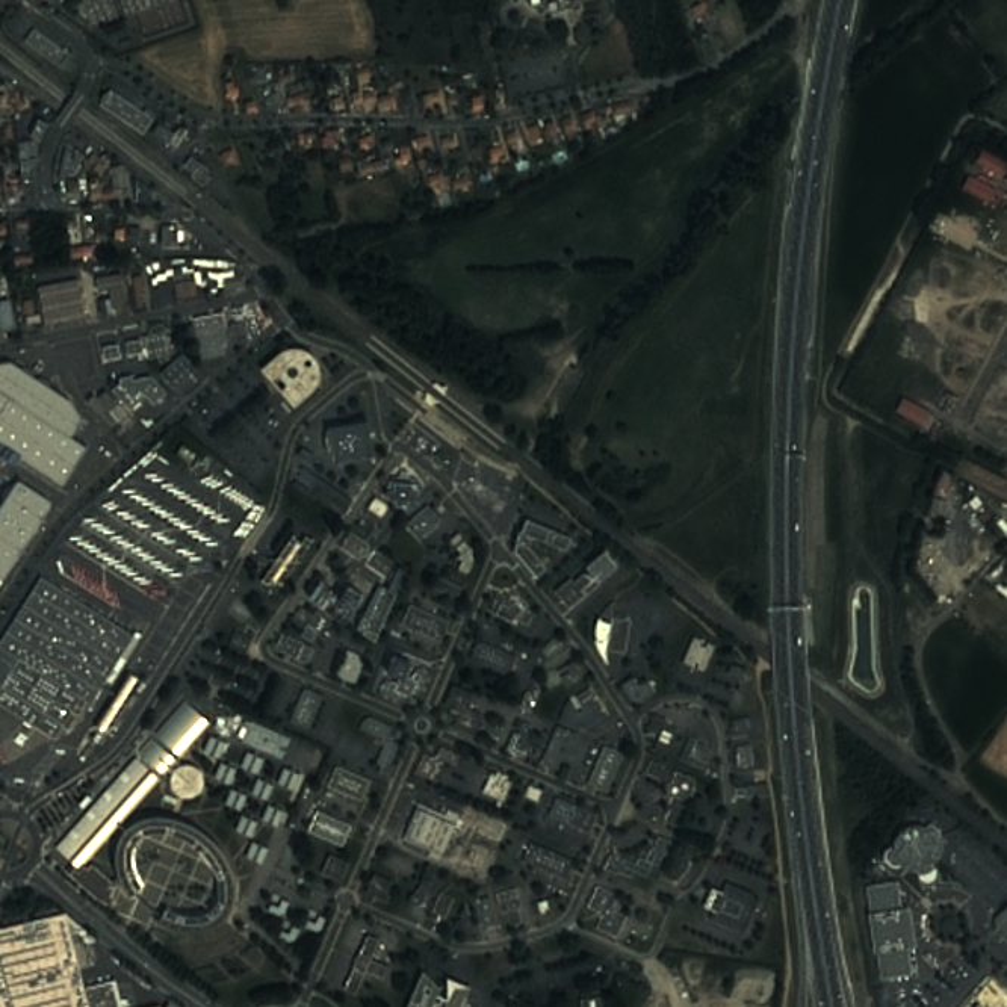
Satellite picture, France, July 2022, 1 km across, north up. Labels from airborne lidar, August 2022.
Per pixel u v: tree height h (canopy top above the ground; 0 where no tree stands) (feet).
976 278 0
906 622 0
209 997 41
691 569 0
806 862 0
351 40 0
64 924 0
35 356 0
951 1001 0
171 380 0
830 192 0
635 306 75
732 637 32
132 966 42
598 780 0
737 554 0
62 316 0
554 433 41
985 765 0
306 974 29
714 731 0
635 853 21
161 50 0
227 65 22
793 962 0
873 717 0
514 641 25
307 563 0
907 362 0
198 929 0
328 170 23
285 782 0
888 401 0
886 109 0
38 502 0
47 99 0
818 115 0
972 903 0
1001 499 0
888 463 0
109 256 92
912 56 0
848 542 0
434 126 0
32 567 0
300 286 0
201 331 0
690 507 0
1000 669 0
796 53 0
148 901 0
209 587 0
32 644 0
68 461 0
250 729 0
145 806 0
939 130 0
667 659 0
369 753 0
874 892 0
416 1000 0
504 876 43
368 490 0
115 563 0
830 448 0
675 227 0
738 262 0
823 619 0
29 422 0
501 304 0
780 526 0
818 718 0
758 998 0
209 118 0
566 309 0
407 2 32
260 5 0
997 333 0
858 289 0
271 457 0
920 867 0
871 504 0
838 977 0
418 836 0
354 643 20
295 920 40
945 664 0
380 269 60
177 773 0
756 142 69
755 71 0
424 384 0
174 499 0
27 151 0
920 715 33
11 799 0
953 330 0
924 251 0
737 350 0
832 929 0
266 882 0
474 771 0
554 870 0
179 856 0
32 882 0
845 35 0
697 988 0
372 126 22
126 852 0
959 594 0
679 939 0
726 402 0
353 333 0
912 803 20
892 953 0
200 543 0
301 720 0
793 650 0
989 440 0
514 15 25
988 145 24
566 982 0
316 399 0
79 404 0
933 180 34
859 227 0
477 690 33
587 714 0
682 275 40
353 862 0
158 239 0
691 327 0
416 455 0
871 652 0
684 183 0
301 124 0
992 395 0
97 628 0
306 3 0
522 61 0
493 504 0
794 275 0
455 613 20
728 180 70
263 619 31
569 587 0
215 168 0
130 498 0
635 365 0
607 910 0
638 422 0
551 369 0
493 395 43
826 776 0
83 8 0
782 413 0
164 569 0
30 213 25
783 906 0
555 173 24
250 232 0
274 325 0
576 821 0
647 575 30
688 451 0
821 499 0
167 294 0
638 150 0
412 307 46
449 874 30
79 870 0
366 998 0
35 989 0
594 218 0
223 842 0
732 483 0
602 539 43
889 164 0
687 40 26
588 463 0
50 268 27
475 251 0
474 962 0
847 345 0
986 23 0
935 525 30
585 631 0
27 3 0
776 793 0
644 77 23
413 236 0
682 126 0
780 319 0
